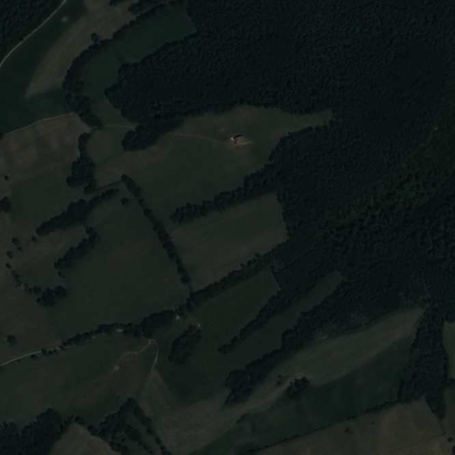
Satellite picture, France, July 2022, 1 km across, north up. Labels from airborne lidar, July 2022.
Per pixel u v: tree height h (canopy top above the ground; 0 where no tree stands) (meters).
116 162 0
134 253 0
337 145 14
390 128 15
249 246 0
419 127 12
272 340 0
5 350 0
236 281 15
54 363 0
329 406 0
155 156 0
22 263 0
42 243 0
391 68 17
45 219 0
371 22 20
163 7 20
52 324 0
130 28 18
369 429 0
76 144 0
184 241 0
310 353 0
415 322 0
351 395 0
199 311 0
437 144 23
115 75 0
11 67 0
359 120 20
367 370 0
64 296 10
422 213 17
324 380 0
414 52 19
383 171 8
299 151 19
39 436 19
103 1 0
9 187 0
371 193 21
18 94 0
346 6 23
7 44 10
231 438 0
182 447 0
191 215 21
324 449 0
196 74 17
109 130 0
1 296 0
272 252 10
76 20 0
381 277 19
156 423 0
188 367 0
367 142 16
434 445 0
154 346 0
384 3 16
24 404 0
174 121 20
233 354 0
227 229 0
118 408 0
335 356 0
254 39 19
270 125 0
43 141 0
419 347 17
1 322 0
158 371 0
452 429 0
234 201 21
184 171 0
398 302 15
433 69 15
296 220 20
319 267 21
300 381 11
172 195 0
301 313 0
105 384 0
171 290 0
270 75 15
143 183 0
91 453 0
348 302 15
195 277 0
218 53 26
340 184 17
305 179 27
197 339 14
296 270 24
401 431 0
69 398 0
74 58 0
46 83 0
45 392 0
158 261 0
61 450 0
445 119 26
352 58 22
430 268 16
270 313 20
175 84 15
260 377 19
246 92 13
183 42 11
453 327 0
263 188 19
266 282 0
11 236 0
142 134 25
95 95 0
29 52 0
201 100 11
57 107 0
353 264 27
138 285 0
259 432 0
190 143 0
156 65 22
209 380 0
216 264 0
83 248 19
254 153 0
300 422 0
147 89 15
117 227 0
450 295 18
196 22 17
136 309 0
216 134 0
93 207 20
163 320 26
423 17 25
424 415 0
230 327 0
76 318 0
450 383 20
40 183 0
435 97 12
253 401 0
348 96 23
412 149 8
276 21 21
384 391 0
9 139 0
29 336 0
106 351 0
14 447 17
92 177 14
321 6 23
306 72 27
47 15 6
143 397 0
